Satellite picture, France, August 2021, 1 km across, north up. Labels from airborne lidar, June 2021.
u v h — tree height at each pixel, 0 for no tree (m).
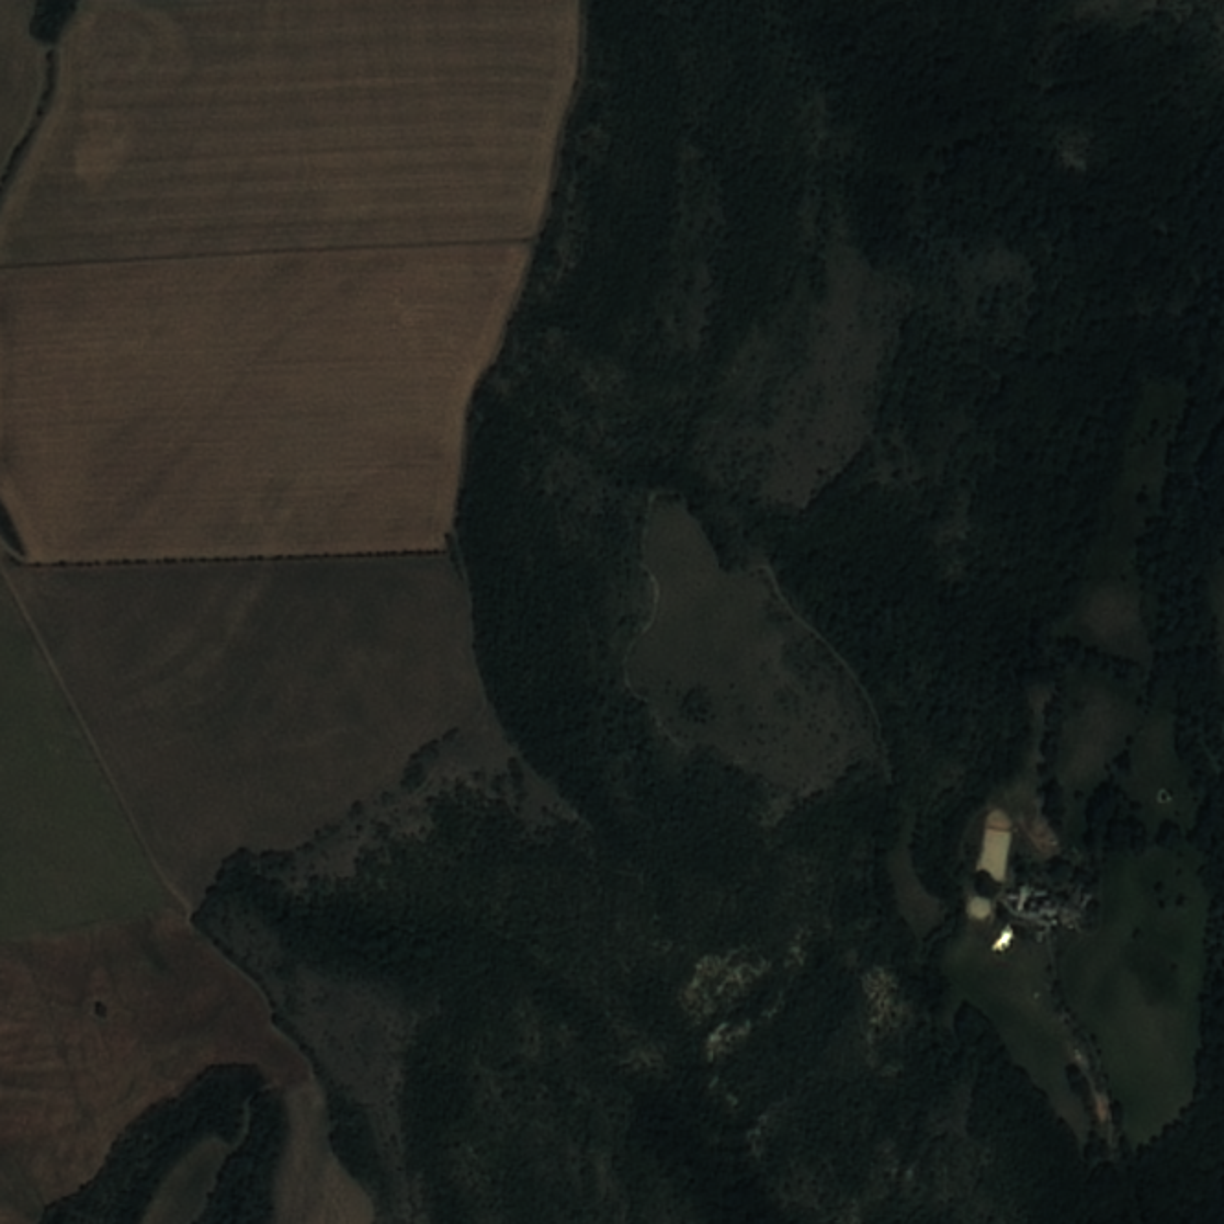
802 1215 8
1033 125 9
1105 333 12
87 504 0
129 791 0
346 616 0
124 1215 11
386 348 0
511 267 0
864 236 6
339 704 0
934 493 8
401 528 0
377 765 0
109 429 0
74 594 0
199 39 0
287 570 0
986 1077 9
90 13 0
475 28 0
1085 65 13
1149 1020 0
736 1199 16
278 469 0
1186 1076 0
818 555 17
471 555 9
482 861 8
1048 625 25
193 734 0
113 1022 0
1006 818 0
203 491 0
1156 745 0
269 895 13
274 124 0
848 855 8
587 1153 8
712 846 6
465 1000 7
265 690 0
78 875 0
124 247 0
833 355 0
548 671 7
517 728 7
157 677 0
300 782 0
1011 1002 0
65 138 0
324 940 13
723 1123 8
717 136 8
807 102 8
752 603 0
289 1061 0
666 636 0
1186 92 6
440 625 0
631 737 6
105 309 0
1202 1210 17
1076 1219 14
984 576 12
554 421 6
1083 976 0
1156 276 9
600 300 6
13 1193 0
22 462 0
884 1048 6
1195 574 10
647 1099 11
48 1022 0
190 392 0
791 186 7
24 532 0
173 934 0
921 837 10
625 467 7
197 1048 0
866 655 7
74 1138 0
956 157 12
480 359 0
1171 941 0
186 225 0
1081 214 18
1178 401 0
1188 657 19
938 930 7
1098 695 0
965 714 9
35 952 0
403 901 8
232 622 0
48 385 0
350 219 0
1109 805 21
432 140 0
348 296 0
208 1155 0
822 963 10
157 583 0
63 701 0
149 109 0
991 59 13
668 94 7
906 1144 7
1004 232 7
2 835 0
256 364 0
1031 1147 10
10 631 0
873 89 11
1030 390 13
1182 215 19
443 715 0
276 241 0
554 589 7
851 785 7
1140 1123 0
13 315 0
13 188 0
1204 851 14
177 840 0
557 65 0
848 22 16
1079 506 12
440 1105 9
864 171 8
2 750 0
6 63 0
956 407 7
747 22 10
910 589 13
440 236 0
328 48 0
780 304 8
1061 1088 0
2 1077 0
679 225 6
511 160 0
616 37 8
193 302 0
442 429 0
